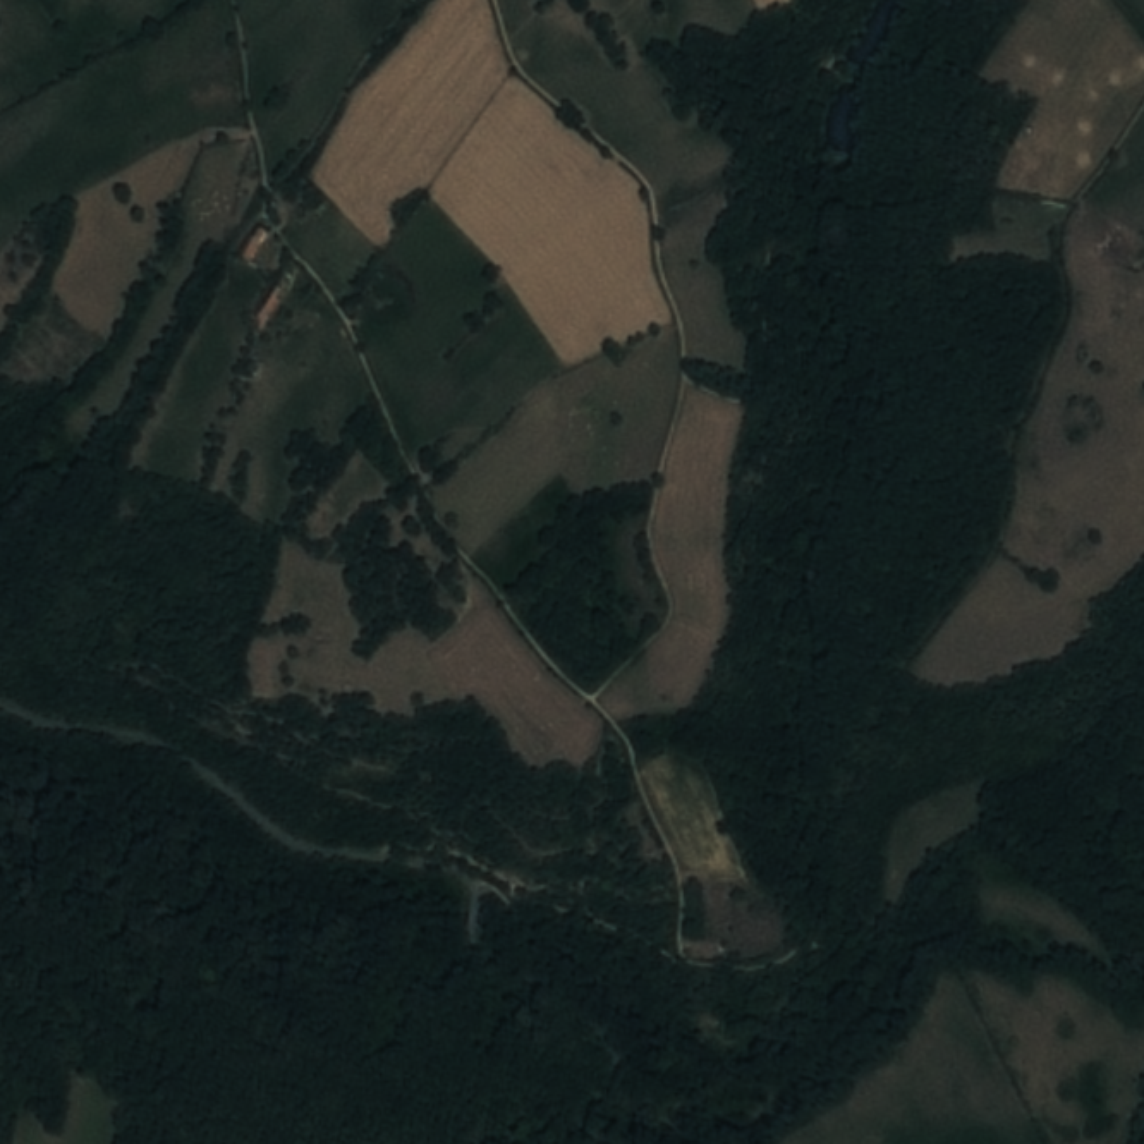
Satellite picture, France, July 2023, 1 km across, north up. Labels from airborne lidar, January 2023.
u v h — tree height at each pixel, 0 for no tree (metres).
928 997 14
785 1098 7
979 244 0
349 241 0
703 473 0
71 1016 16
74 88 0
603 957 21
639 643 7
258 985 27
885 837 11
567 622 17
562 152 0
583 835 9
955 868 16
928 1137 0
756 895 0
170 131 0
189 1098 17
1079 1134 0
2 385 13
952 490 17
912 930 14
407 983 9
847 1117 0
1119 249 0
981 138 11
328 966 25
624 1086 17
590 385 0
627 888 16
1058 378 0
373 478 0
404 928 25
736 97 30
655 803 0
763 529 16
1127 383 0
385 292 0
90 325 0
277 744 17
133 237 0
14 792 24
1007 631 0
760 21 15
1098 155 0
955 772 8
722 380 19
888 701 10
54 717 10
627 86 0
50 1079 18
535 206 0
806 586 12
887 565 8
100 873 20
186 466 0
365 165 0
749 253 23
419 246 0
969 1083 0
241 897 23
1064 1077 0
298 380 0
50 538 14
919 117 16
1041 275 8
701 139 0
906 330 14
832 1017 25
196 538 8
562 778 9
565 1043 19
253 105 10
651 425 0
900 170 15
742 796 11
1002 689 13
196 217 0
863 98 13
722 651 7
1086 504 0
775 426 18
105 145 0
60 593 11
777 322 20
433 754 11
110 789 21
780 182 22
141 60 0
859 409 23
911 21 12
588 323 0
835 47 12
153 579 13
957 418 22
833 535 20
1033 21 0
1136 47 0
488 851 14
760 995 16
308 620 10
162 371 10
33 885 28
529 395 0
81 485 13
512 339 0
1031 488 0
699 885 11
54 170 0
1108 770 24
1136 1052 0
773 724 21
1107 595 10
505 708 0
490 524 0
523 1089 18
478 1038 17
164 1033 22
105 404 0
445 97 0
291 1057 21
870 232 15
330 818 8
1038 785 21
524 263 0
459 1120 18
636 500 12
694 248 0
